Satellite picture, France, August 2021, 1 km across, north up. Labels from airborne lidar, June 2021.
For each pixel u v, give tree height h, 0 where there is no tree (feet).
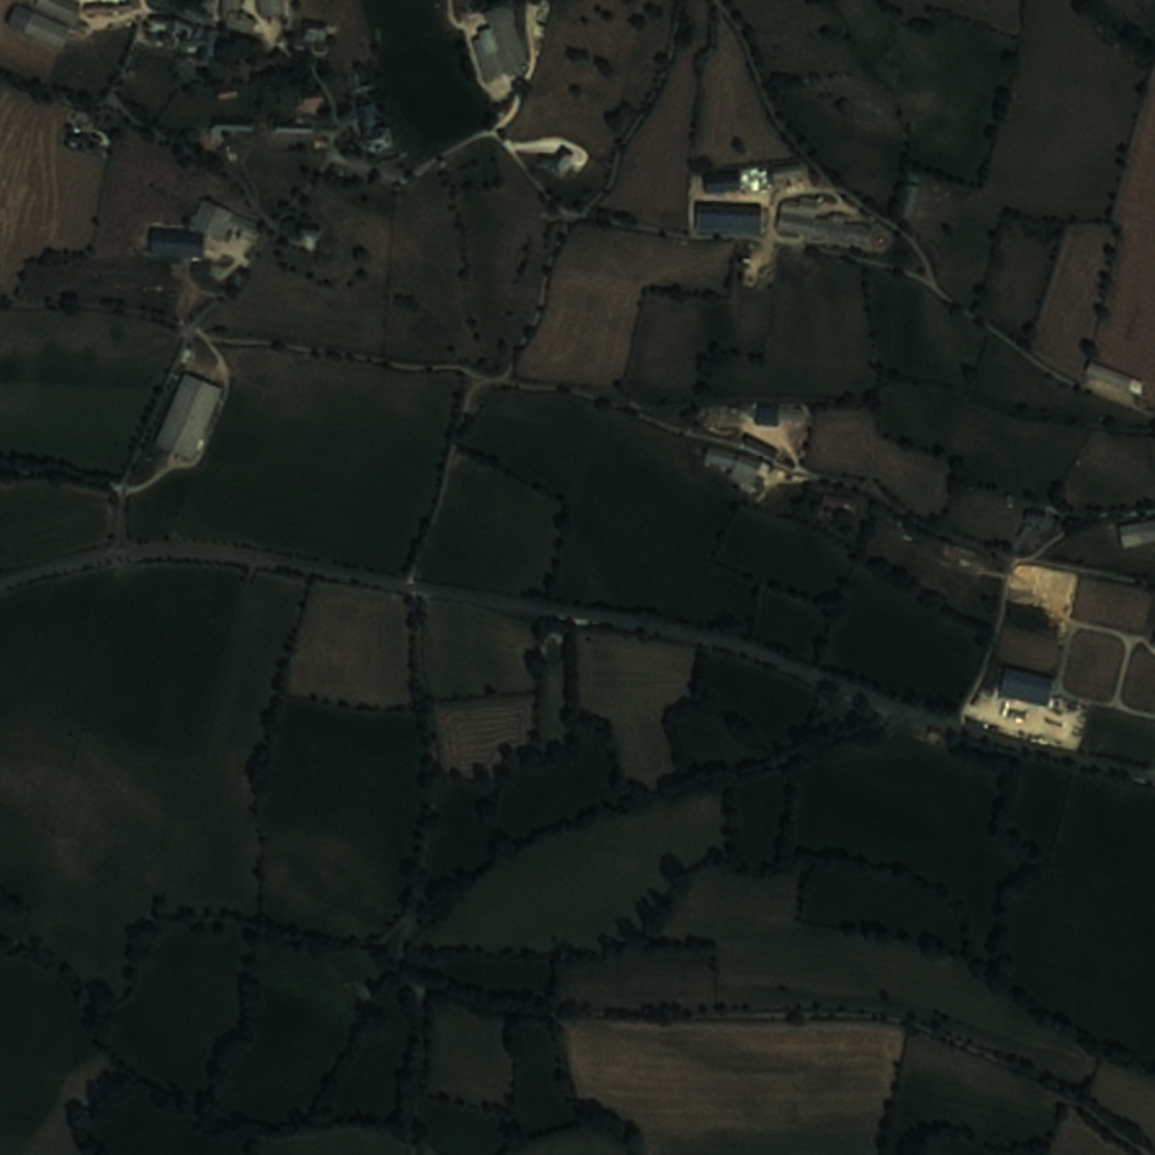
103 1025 94
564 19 0
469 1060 0
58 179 0
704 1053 0
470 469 0
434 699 26
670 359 0
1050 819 0
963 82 0
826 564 0
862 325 0
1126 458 0
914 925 0
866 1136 0
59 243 0
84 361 0
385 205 0
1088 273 0
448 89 0
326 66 31
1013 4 0
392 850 0
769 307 0
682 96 0
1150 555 0
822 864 25
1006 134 0
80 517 0
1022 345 27
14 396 0
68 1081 0
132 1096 55
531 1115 0
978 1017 0
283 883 0
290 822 0
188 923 40
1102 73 0
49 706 0
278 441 0
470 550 0
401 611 0
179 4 18
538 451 0
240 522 0
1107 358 0
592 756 0
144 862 0
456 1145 0
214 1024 0
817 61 0
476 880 44
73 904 0
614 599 0
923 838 0
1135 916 0
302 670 0
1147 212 0
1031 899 0
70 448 0
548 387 0
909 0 0
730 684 0
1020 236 0
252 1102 0
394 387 0
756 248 0
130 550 0
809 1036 0
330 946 45
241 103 0
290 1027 0
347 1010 0
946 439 0
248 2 0
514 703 0
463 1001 37
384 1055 0
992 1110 0
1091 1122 30
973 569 0
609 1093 0
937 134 0
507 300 0
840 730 27
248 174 0
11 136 0
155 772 0
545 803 0
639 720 0
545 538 0
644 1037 0
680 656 0
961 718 69
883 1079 0
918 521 22
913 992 0
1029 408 26
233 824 0
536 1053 0
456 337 0
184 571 0
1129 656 0
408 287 0
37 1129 0
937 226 0
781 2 0
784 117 37
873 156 0
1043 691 0
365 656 0
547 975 0
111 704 0
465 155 0
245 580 21
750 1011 23
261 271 0
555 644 0
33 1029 0
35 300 0
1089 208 0
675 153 0
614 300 0
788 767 55
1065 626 0
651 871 0
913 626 0
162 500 0
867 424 0
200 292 0
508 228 0
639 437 0
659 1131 0
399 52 0
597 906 0
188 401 0
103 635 0
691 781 54
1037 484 0
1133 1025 0
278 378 0
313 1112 23
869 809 0
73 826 0
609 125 33
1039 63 0
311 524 0
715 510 0
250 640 0
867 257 26
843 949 0
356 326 0
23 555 0
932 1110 0
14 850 0
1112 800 0
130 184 0
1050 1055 0
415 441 0
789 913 0
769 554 0
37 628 0
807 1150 0
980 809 0
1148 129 0
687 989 0
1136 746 0
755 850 0
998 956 41
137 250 0
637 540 0
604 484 0
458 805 0
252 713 0
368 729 0
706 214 0
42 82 27
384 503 0
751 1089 0
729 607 0
